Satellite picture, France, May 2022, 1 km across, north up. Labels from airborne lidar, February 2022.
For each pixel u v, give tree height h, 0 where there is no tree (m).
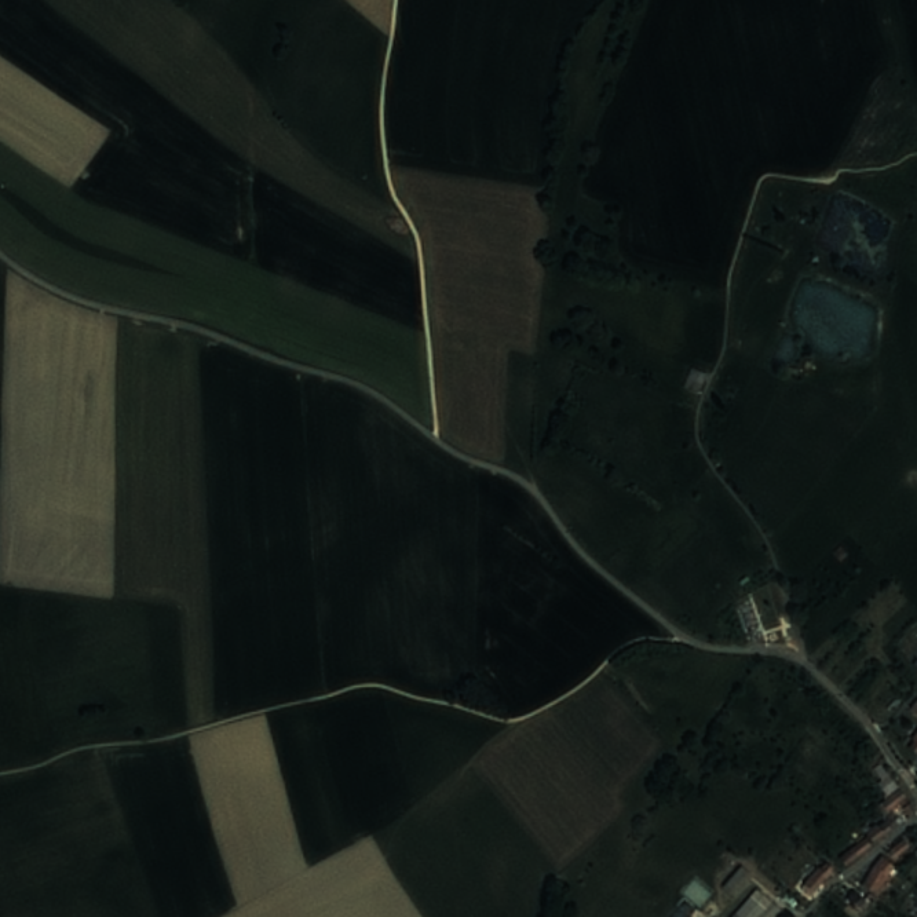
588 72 0
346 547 0
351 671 0
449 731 0
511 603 0
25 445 0
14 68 0
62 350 0
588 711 0
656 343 0
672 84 0
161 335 0
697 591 0
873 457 0
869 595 0
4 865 0
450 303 0
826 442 0
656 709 0
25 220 0
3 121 0
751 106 0
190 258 0
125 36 0
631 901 0
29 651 0
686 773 6
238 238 0
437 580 0
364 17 0
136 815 0
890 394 0
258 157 0
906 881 0
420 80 0
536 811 0
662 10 0
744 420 0
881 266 0
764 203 0
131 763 0
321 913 0
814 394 0
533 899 0
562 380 0
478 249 0
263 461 0
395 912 0
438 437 0
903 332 0
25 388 0
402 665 0
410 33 0
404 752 0
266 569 0
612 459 0
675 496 0
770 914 0
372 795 0
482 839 0
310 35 0
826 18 0
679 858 0
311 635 0
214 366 0
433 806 0
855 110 0
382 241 0
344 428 0
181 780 0
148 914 0
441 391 0
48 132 0
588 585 0
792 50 0
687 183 0
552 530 0
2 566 0
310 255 0
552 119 14
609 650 0
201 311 0
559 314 0
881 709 0
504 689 0
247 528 0
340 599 0
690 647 8
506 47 0
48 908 0
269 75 0
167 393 0
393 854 0
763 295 0
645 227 0
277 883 0
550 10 0
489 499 0
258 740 0
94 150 0
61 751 0
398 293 0
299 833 0
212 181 0
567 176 0
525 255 0
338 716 0
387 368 0
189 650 0
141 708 0
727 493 0
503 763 0
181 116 0
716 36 0
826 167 0
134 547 0
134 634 0
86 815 0
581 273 18
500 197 0
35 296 0
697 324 0
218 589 0
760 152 0
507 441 0
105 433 0
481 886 0
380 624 0
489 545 0
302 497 0
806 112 0
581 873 0
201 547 0
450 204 0
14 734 0
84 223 0
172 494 0
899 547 0
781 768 8
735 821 0
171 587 0
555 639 0
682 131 0
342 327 0
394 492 0
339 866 0
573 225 12
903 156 0
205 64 0
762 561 0
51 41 0
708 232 0
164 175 0
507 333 0
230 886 0
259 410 0
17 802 0
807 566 0
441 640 0
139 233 0
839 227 0
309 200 0
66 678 0
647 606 0
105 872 0
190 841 0
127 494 0
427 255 0
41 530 0
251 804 0
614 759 0
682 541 0
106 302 0
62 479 0
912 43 0
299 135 0
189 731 0
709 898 0
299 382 0
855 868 0
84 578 0
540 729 0
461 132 0
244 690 0
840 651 0
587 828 0
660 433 0
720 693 0
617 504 0
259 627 0
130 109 0
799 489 0
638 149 0
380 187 0
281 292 0
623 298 0
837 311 0
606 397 0
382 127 0
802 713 0
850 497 0
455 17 0
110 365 0
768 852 0
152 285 0
